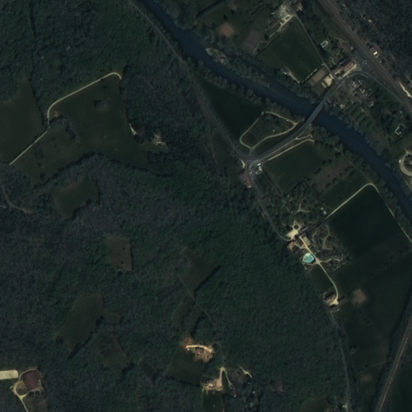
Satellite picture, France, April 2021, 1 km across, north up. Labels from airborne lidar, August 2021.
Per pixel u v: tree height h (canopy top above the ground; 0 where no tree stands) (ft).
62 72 81
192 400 67
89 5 20
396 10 39
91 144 0
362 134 29
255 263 53
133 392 32
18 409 60
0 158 0
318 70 28
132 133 0
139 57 63
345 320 0
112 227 66
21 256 57
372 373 0
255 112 0
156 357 78
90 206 63
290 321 54
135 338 46
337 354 74
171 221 73
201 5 0
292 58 0
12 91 69
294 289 60
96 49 60
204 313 25
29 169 0
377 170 0
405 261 0
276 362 68
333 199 0
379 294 0
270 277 57
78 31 53
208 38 87
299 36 0
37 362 71
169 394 67
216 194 80
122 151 0
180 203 87
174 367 0
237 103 0
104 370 62
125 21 61
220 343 69
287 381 55
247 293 77
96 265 45
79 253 36
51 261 45
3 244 57
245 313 57
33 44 60
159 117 38
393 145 35
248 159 0
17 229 48
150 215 67
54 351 55
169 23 0
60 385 53
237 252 57
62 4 43
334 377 78
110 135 0
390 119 54
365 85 0
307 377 66
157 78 65
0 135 0
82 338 0
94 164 59
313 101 36
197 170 45
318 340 64
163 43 74
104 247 60
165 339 52
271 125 48
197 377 0
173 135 34
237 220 60
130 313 72
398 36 64
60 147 0
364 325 0
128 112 64
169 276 64
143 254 54
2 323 43
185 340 0
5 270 59
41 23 84
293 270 77
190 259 0
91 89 0
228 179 75
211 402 0
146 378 53
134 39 54
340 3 39
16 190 33
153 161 25
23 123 0
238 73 97
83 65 67
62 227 47
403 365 41
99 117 0
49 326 56
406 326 49
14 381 0
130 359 65
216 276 63
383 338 0
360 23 40
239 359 63
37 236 56
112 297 64
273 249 59
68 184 57
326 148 35
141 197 69
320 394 73
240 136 0
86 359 79
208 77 38
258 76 41
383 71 0
